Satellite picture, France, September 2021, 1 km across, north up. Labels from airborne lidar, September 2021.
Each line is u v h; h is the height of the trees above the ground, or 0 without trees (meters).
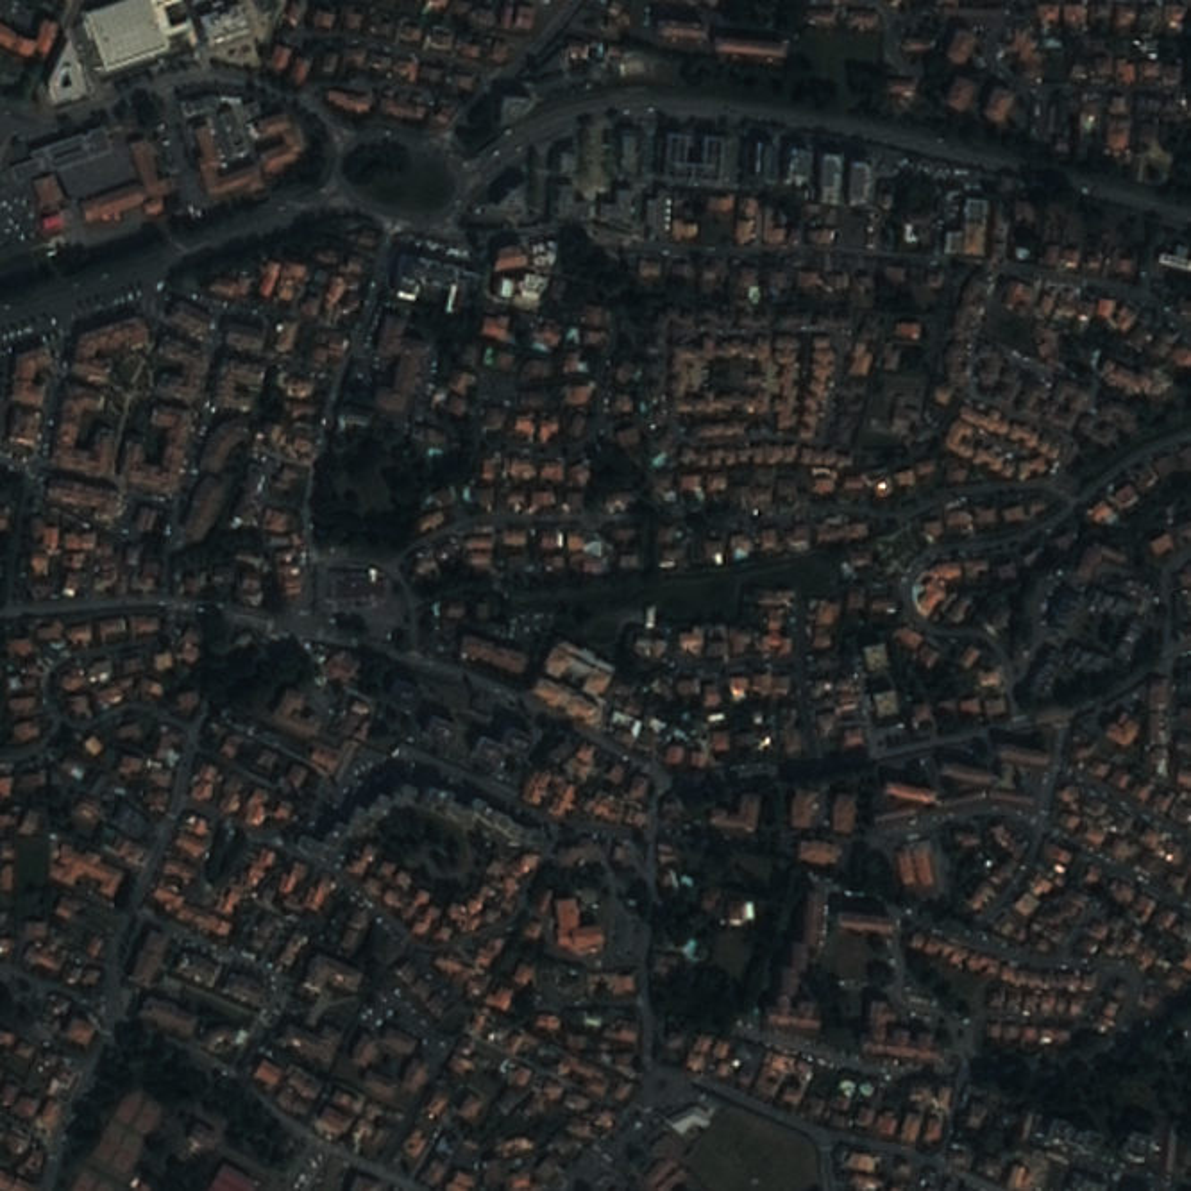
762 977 10
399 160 9
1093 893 10
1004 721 7
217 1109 14
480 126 9
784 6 13
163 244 14
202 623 13
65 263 12
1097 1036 11
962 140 10
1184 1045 14
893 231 10
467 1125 9
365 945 7
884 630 7
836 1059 0
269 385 9
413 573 8
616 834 0
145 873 0
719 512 14
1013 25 0
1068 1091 15
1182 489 15
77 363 0
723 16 15
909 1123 0
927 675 16
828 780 16
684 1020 9
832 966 0
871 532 8
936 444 7
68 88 0
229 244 0
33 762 7
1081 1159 0
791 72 12
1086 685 15
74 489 0
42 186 0
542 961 9
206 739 7
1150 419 10
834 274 0
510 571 9
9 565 6
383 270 0
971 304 0
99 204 0
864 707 0
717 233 0
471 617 20
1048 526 0
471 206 0
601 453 10
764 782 9
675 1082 0
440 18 8
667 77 0
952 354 0
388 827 14
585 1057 7
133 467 0
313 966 0
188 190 0
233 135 0
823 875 8
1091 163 7
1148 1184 0
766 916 8
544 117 0
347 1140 8
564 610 7
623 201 0
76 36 0
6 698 11
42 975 6
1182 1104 13
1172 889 7
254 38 0
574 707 0
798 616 0
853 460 7
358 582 0
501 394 0
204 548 8
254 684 16
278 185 6
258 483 0
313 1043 0
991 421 0
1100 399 7
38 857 0
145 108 19
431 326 11
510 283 0
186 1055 8
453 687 0
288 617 0
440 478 14
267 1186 0
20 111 0
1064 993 7
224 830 11
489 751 0
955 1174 0
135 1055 17
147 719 0
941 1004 17
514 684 9
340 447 13
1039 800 0
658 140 9
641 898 11
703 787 11
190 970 0
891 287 15
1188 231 6
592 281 10
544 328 0
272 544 0
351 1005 0
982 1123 6
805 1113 7
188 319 0
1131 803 0
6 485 11
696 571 7
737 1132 0
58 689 7
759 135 0
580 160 7
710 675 0
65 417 0
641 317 10
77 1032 0
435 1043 0
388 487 19
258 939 0
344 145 0
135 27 0
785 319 0
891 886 23
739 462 6
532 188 9
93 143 0
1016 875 8
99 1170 0
